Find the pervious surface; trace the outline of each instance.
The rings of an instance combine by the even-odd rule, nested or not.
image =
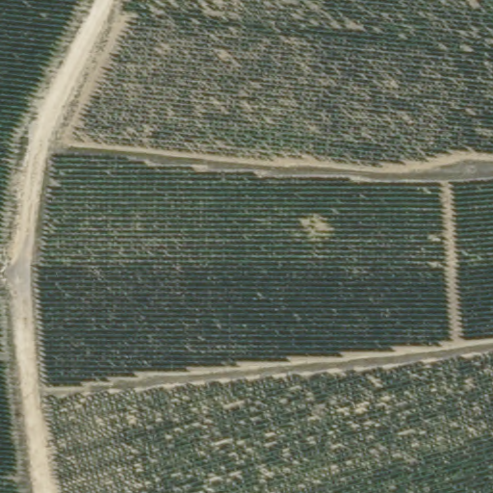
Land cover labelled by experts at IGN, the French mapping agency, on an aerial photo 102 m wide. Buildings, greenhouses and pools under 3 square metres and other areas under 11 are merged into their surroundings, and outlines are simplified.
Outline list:
[[[21,169],[8,181],[8,187],[15,191],[17,198],[17,220],[10,243],[10,256],[0,266],[0,277],[2,285],[8,287],[12,295],[13,337],[19,366],[19,385],[29,445],[33,493],[60,493],[58,480],[52,474],[54,454],[50,453],[46,445],[50,439],[50,431],[40,412],[39,376],[35,354],[35,314],[31,295],[35,227],[39,212],[42,173],[46,158],[50,156],[48,146],[52,139],[52,131],[64,116],[64,106],[73,96],[77,79],[83,73],[92,44],[96,42],[98,33],[104,27],[106,15],[110,12],[114,0],[94,0],[91,13],[85,17],[69,52],[65,54],[64,65],[54,75],[46,96],[42,100],[33,98],[31,102],[31,106],[37,108],[37,121],[31,125],[29,144]]]

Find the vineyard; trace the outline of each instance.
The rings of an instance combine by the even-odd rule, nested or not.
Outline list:
[[[12,295],[8,287],[2,285],[0,277],[0,493],[33,493],[29,445],[19,385],[19,366],[13,337]]]
[[[114,0],[110,12],[106,15],[104,27],[98,33],[96,42],[92,44],[83,73],[77,79],[73,96],[64,106],[64,116],[52,131],[52,139],[48,146],[50,156],[46,158],[42,173],[39,212],[35,227],[31,295],[35,314],[35,354],[39,376],[40,412],[50,431],[50,439],[46,445],[50,453],[54,454],[52,474],[58,480],[60,493],[493,493],[493,0]]]
[[[31,106],[31,102],[33,98],[42,100],[46,96],[54,75],[64,65],[65,54],[69,52],[85,17],[91,13],[94,0],[0,0],[0,266],[10,256],[10,243],[17,220],[17,198],[15,191],[8,187],[8,181],[21,169],[29,144],[31,125],[37,121],[37,108]]]

